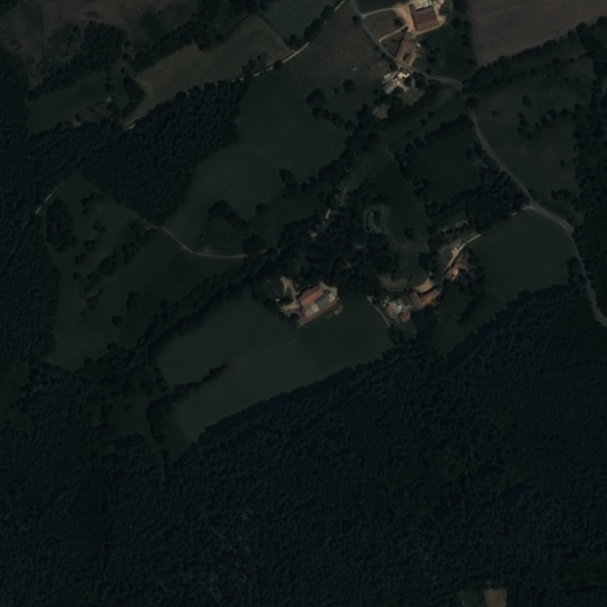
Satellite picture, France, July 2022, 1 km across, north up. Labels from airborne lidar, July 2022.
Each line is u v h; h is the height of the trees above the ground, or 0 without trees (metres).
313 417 14
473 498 33
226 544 18
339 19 0
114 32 10
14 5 11
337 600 24
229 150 0
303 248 29
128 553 29
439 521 10
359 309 0
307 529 25
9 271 21
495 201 28
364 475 15
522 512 35
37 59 0
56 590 22
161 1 0
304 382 0
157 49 16
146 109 0
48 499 16
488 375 15
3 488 18
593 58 16
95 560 19
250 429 10
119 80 0
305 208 0
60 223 18
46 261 19
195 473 19
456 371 23
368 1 0
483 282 17
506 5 0
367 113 19
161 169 14
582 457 11
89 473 15
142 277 0
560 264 0
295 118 0
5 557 26
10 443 21
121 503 30
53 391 29
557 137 0
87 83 0
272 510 28
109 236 0
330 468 16
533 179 0
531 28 0
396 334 20
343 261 25
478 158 19
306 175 0
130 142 19
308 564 28
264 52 0
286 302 9
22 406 9
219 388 0
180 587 24
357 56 0
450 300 0
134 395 18
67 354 0
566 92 0
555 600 31
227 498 28
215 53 0
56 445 17
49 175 30
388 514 16
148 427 0
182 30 13
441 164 0
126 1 0
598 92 19
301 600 22
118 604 8
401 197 0
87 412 9
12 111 15
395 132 0
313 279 23
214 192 0
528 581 30
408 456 15
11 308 21
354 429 8
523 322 30
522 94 0
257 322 0
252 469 33
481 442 7
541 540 23
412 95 0
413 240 14
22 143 16
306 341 0
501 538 20
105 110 0
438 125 0
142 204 24
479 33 0
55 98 0
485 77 19
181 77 0
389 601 22
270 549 36
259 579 22
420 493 16
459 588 21
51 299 15
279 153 0
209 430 0
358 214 24
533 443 10
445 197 0
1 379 11
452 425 29
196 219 0
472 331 0
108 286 0
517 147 0
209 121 22
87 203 16
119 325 22
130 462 19
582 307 7
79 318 0
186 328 23
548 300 35
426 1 0
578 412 14
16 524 6
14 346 21
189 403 0
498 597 0
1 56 14
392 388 16
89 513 17
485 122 0
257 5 18
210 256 0
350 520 13
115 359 18
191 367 0
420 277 0
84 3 0
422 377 16
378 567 35
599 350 8
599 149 7
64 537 17
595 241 6
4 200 14
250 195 0
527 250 0
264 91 0
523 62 16
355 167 24
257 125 0
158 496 33
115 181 20
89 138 22
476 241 0
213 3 16
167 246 0
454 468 18
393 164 0
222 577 21
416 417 27
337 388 31
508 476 15
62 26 0
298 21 0
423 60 0
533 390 17
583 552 29
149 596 28
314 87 0
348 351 0
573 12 0
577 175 6
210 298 7
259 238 16
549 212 0
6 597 27
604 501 16
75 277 8
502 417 13
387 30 0
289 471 16
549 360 9
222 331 0
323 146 0
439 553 23
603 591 20
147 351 9
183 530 36
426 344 24
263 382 0
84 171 13
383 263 19
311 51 0
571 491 10
